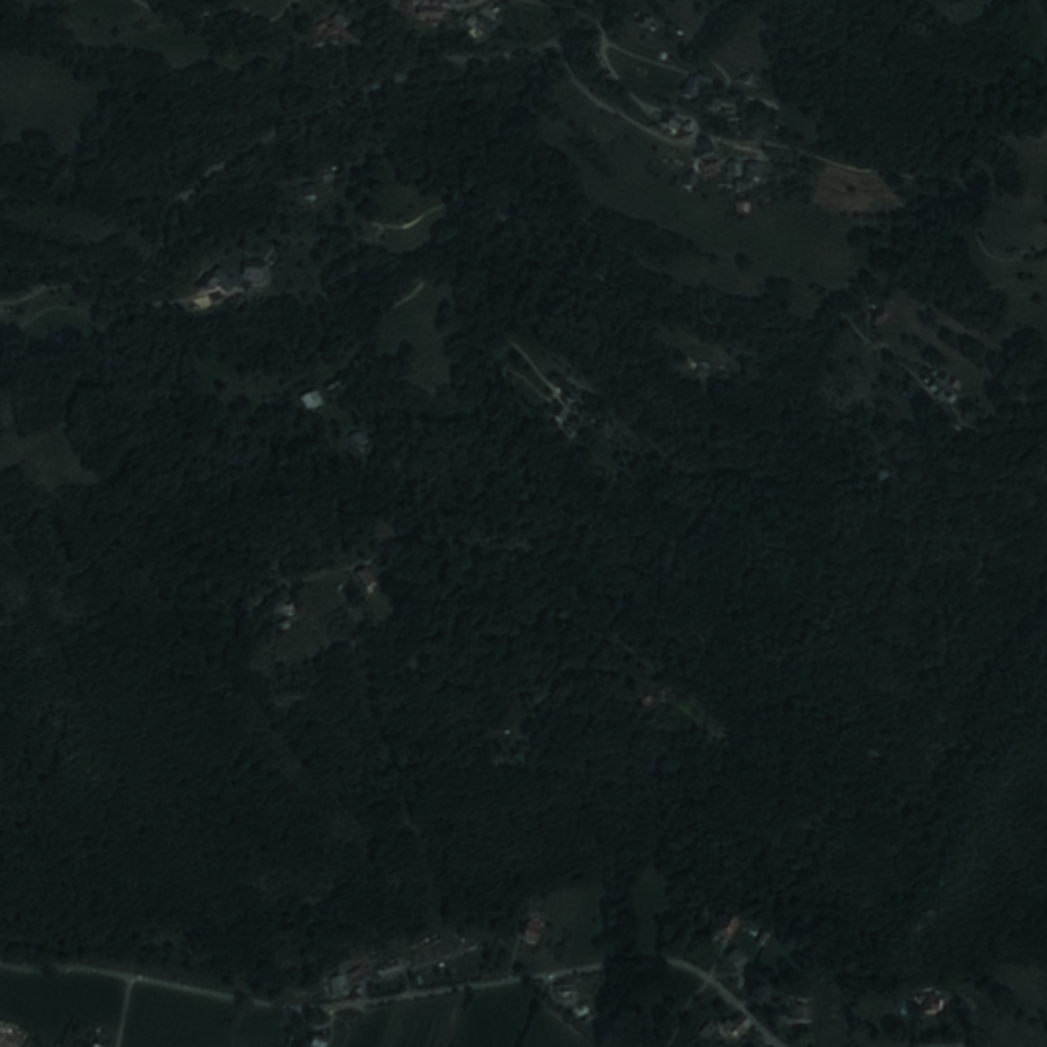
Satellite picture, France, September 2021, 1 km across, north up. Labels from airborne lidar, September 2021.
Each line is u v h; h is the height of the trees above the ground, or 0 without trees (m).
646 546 30
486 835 20
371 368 23
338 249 28
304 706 12
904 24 22
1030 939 27
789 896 20
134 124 19
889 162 17
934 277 28
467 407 18
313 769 26
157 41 0
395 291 28
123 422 18
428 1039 0
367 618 9
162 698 25
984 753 18
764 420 32
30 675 18
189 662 26
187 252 23
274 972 13
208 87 23
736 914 10
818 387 16
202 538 25
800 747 18
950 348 13
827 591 19
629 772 21
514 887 28
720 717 20
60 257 28
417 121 26
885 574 24
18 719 21
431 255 20
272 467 10
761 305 18
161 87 26
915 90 25
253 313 14
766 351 19
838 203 0
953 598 26
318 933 17
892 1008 0
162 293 22
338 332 22
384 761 21
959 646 25
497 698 20
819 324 18
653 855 19
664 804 25
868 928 35
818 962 31
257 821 26
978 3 0
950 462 20
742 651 23
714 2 25
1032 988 0
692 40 0
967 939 24
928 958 18
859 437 21
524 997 0
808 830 22
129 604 24
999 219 0
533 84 34
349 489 27
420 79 29
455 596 12
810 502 20
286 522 22
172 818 22
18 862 25
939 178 20
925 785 27
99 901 27
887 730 23
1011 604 27
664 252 21
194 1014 0
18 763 21
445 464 29
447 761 9
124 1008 0
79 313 0
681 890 21
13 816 19
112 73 24
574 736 32
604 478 9
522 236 23
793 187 8
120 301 26
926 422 24
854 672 28
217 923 19
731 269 0
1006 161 22
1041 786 19
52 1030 0
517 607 28
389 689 31
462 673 25
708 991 0
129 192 24
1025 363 20
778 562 20
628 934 22
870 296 21
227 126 22
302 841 25
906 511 15
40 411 21
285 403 10
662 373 21
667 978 6
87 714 15
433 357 0
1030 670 22
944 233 25
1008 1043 0
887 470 7
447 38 8
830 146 7
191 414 20
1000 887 25
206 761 25
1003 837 19
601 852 23
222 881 18
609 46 0
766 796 26
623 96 13
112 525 25
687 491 22
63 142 0
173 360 30
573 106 0
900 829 21
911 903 28
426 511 20
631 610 26
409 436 29
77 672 15
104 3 0
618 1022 23
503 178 25
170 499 24
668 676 17
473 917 10
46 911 25
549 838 19
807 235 0
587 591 27
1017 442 19
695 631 14
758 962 0
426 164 31
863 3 25
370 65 28
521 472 16
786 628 24
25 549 18
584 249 30
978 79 31
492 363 16
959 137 18
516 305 25
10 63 0
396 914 26
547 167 28
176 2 24
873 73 22
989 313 24
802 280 0
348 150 26
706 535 21
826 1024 0
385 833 22
